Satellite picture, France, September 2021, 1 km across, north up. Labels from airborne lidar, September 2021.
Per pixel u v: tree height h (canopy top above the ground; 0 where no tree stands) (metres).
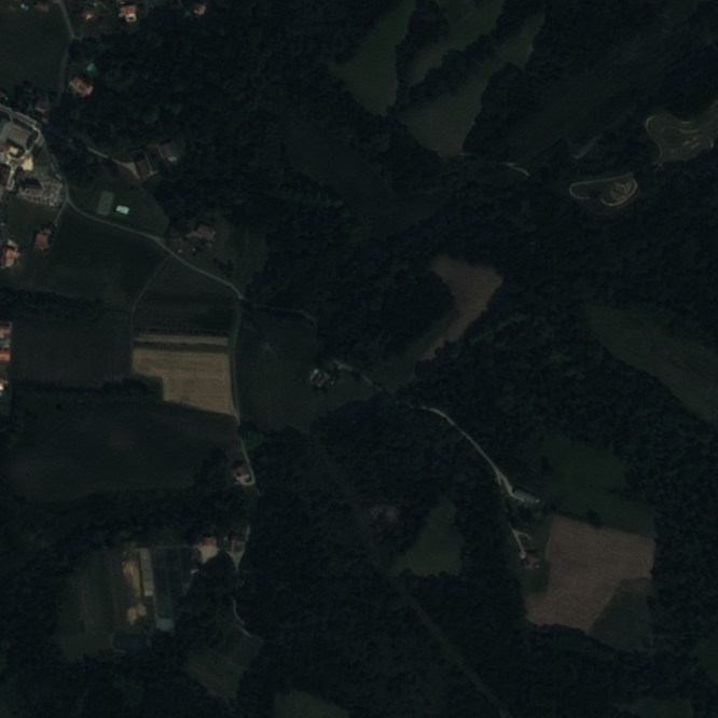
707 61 13
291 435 15
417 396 22
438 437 8
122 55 26
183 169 15
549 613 0
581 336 17
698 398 0
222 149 13
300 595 21
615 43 19
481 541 20
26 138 0
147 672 24
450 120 0
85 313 21
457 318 0
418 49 18
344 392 0
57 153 24
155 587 0
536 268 30
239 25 24
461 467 7
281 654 20
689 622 26
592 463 0
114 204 0
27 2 0
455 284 0
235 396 0
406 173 26
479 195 14
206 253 0
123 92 25
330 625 17
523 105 22
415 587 20
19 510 14
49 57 0
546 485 0
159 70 25
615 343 0
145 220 0
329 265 0
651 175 20
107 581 0
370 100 0
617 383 21
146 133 24
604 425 23
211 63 25
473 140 11
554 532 0
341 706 14
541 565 0
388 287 25
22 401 19
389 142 21
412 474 17
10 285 0
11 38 0
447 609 24
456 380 18
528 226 29
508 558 22
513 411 25
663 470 20
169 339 0
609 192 0
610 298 24
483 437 20
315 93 22
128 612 0
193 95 27
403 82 12
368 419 24
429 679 8
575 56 24
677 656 8
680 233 15
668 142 0
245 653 0
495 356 7
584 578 0
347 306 8
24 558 5
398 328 27
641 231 14
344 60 23
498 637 24
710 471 10
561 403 6
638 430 20
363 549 10
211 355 0
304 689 14
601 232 14
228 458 13
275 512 14
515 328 6
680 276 21
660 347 0
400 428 16
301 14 27
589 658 15
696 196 28
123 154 0
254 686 24
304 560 19
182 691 23
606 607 0
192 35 30
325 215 10
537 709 22
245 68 23
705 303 17
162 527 20
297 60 14
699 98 18
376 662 7
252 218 26
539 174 6
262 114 22
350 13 26
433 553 0
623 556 0
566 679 23
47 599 25
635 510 0
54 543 9
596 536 0
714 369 0
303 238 22
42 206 0
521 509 0
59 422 0
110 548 12
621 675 20
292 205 21
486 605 28
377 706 10
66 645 0
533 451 15
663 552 13
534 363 24
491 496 24
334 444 18
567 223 20
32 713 21
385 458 13
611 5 21
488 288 0
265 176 31
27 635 27
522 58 0
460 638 26
